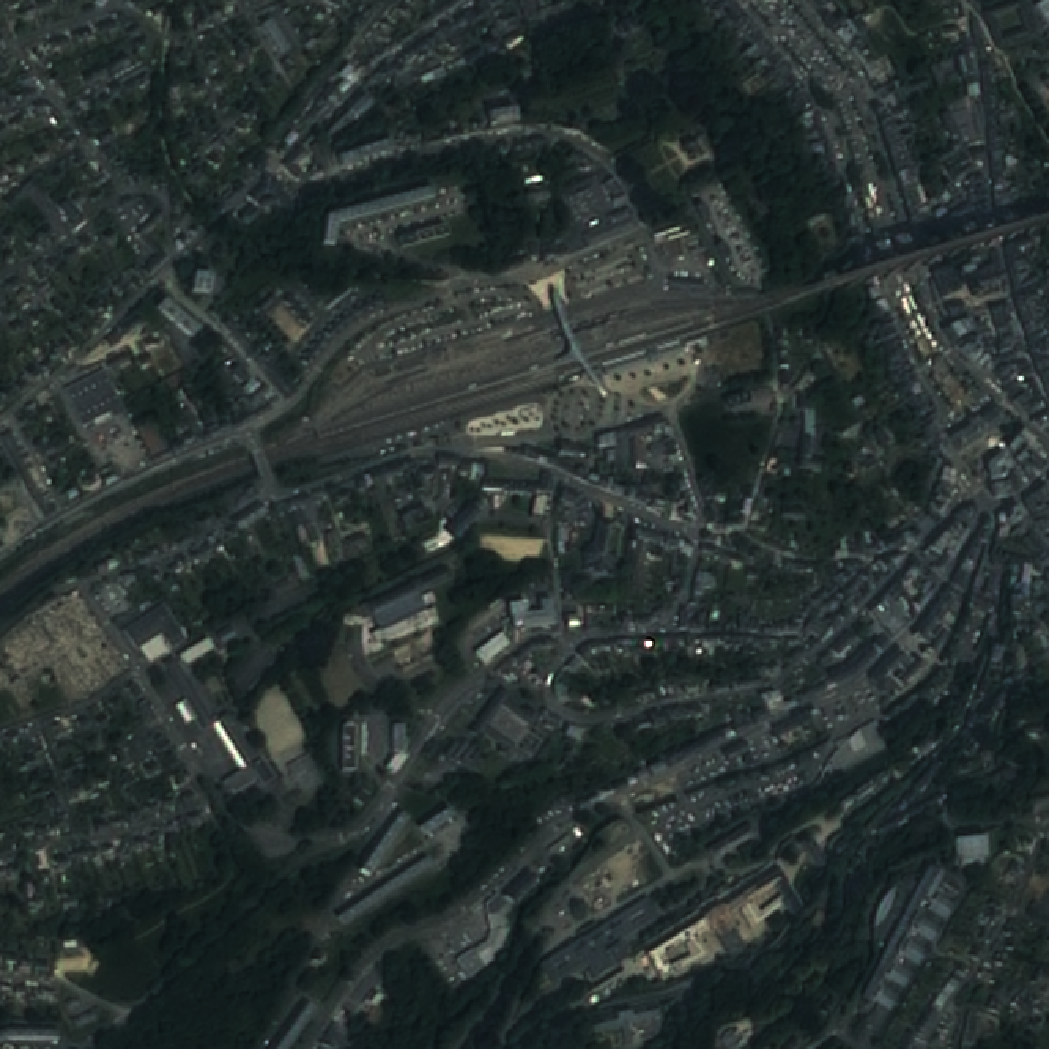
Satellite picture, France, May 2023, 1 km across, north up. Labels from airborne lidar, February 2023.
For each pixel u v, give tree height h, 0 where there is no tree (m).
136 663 0
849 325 16
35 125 0
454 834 0
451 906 7
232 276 12
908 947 0
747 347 0
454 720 0
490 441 0
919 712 19
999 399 0
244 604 11
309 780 0
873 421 8
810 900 7
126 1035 6
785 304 0
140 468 0
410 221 0
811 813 11
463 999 14
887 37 0
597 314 0
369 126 14
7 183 0
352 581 19
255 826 12
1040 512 0
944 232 21
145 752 0
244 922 17
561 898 0
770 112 23
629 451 0
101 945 12
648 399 0
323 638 28
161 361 0
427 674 6
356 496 16
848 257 11
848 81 0
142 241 0
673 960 0
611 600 19
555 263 0
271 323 6
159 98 13
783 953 7
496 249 18
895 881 9
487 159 17
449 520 0
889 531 11
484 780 9
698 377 0
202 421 10
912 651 0
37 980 0
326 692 0
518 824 15
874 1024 0
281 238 6
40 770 9
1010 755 17
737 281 0
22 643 0
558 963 0
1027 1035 9
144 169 7
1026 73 8
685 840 17
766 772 10
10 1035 0
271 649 0
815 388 14
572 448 0
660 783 0
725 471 15
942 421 0
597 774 7
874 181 0
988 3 9
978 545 0
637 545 0
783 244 9
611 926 0
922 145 8
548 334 0
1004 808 19
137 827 0
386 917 11
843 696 0
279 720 0
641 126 8
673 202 8
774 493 9
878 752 0
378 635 0
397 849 0
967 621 7
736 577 0
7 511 0
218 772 0
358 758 0
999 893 0
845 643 0
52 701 0
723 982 14
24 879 11
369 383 0
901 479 13
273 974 10
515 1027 7
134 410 6
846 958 10
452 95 9
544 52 19
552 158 12
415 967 11
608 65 11
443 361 0
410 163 18
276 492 0
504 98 0
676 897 17
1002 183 0
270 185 0
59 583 6
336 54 11
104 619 0
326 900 9
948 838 17
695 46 20
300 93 10
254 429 0
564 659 0
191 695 0
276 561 10
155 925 0
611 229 0
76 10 0
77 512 0
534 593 0
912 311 0
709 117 23
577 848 8
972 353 0
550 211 7
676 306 0
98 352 0
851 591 0
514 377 0
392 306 0
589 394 0
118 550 8
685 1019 12
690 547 0
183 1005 18
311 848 15
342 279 20
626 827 0
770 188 27
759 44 0
